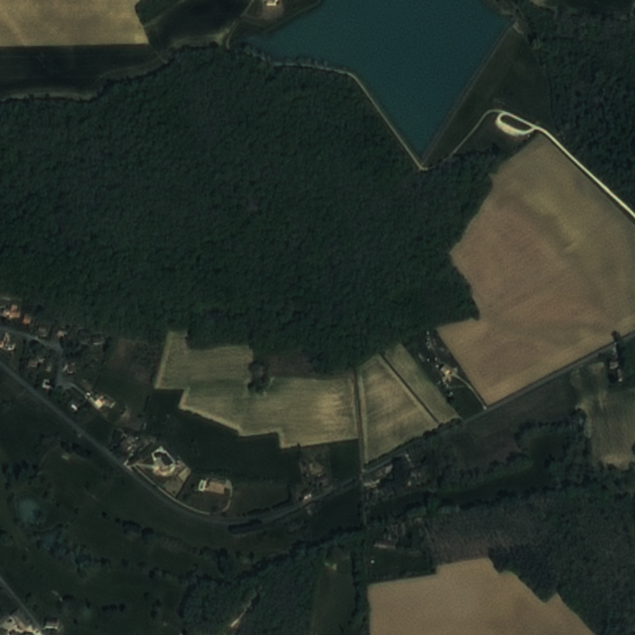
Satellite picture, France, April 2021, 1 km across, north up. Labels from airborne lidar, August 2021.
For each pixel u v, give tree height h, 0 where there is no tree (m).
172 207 17
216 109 22
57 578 0
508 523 22
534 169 0
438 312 13
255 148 19
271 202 18
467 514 23
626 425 0
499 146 0
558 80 10
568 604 21
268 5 0
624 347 28
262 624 16
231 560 28
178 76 15
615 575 12
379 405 0
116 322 20
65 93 0
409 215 21
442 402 0
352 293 22
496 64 0
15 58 0
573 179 0
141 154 21
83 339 8
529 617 0
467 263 0
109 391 0
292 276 23
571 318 0
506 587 0
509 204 0
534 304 0
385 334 28
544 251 0
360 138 21
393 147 14
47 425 0
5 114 14
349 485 7
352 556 9
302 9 0
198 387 0
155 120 20
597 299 0
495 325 0
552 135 0
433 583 0
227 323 24
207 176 17
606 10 0
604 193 0
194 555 11
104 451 0
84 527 0
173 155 19
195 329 22
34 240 27
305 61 6
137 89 15
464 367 0
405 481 18
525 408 0
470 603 0
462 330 0
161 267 18
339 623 0
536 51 7
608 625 19
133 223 18
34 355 8
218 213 24
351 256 24
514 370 0
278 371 0
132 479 0
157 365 7
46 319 17
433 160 0
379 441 0
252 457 0
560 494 14
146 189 21
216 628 20
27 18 0
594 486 29
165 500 0
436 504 20
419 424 0
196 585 16
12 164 17
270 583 17
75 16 0
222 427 0
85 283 20
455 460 21
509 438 0
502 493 0
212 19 0
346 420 0
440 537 22
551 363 0
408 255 21
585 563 13
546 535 17
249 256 25
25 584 0
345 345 25
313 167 21
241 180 16
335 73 10
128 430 7
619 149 26
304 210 24
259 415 0
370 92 0
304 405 0
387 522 10
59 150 22
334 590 0
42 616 0
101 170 21
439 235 18
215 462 0
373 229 24
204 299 21
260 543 0
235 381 0
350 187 22
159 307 21
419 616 0
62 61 0
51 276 23
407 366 0
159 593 0
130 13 0
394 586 0
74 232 20
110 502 0
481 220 0
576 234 0
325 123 18
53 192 22
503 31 0
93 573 19
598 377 0
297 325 21
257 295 21
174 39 0
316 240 24
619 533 16
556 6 0
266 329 27
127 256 16
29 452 0
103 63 0
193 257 26
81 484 0
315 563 23
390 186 22
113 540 0
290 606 19
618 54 22
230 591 23
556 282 0
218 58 22
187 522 0
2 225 28
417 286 19
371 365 0
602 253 0
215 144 21
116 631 0
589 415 0
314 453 0
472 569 0
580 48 14
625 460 0
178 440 0
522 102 0
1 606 0
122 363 0
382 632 0
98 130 13
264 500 0
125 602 0
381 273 23
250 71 16
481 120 0
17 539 0
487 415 0
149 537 19
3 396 0
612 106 17
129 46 0
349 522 0
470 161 13
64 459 0
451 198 23
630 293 0
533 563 17
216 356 0
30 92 0
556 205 0
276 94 19
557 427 12
